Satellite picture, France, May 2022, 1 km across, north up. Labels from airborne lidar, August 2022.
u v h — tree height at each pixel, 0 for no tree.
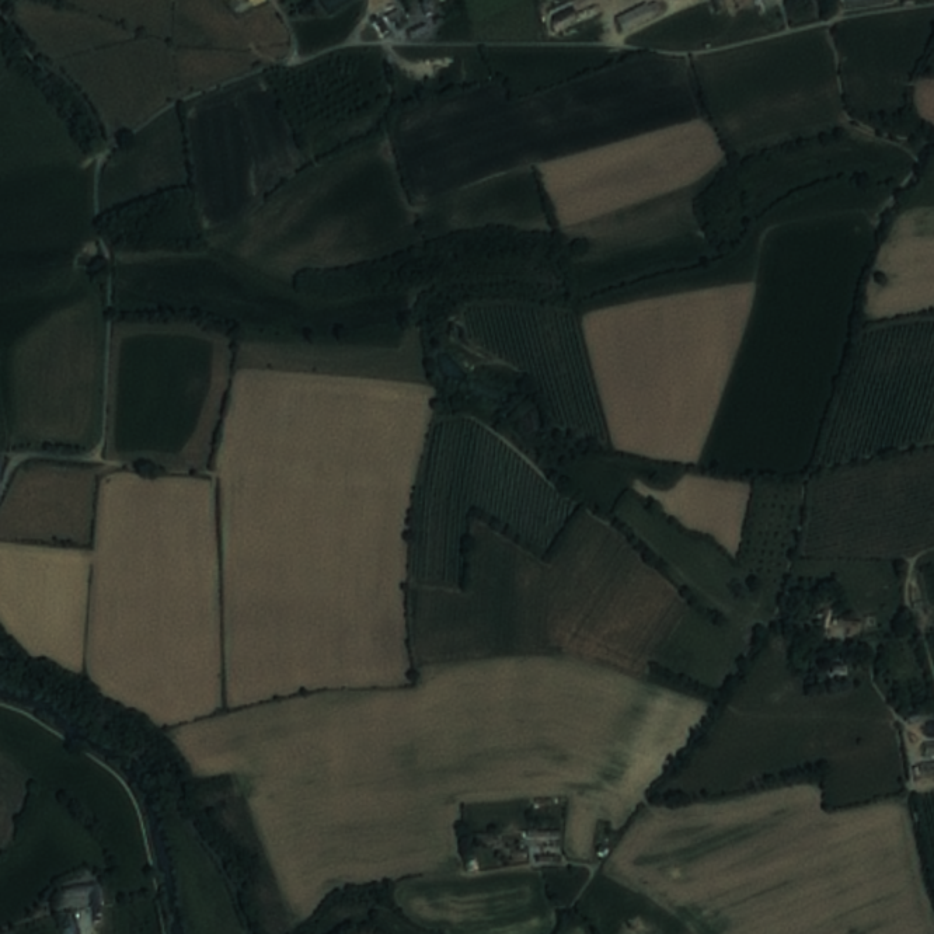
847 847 0
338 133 0
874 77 0
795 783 23
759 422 0
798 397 0
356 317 0
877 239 10
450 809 0
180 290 0
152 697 0
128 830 0
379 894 10
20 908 0
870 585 0
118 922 0
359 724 0
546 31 0
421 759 0
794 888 0
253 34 0
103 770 0
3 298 0
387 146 0
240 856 10
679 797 14
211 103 0
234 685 0
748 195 16
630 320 0
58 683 15
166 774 20
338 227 0
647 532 0
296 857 0
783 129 0
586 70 6
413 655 7
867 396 6
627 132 0
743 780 0
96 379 0
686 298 0
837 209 0
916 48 0
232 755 0
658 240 0
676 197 0
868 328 11
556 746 0
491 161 0
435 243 10
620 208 0
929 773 0
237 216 0
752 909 0
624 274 0
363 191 0
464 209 0
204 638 0
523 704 0
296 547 0
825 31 0
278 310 0
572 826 0
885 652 16
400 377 0
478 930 0
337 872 0
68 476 0
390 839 0
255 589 0
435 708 0
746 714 0
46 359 0
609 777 0
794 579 13
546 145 0
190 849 0
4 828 0
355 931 8
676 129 0
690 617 0
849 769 0
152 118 0
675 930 0
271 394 0
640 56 7
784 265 0
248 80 0
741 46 0
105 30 0
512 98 9
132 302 0
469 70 0
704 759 0
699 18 0
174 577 0
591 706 0
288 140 0
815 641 18
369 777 0
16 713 0
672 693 0
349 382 0
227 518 0
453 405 8
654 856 0
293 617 0
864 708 0
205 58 0
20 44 16
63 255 0
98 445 0
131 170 0
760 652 8
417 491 8
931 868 9
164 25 0
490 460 6
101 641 0
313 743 0
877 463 6
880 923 0
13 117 0
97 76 0
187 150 8
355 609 0
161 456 0
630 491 6
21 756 0
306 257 0
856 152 0
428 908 0
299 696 6
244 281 0
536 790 0
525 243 13
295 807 0
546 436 9
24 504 0
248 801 0
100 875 13
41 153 0
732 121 0
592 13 0
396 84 10
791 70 0
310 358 0
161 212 10
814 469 9
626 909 0
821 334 0
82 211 0
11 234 0
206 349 0
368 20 0
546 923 0
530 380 16
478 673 0
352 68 6
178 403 0
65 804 14
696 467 11
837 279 0
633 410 0
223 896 0
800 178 0
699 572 0
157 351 0
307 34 0
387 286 15
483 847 13
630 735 0
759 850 0
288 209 0
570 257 10
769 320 0
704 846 0
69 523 0
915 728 0
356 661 0
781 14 7
